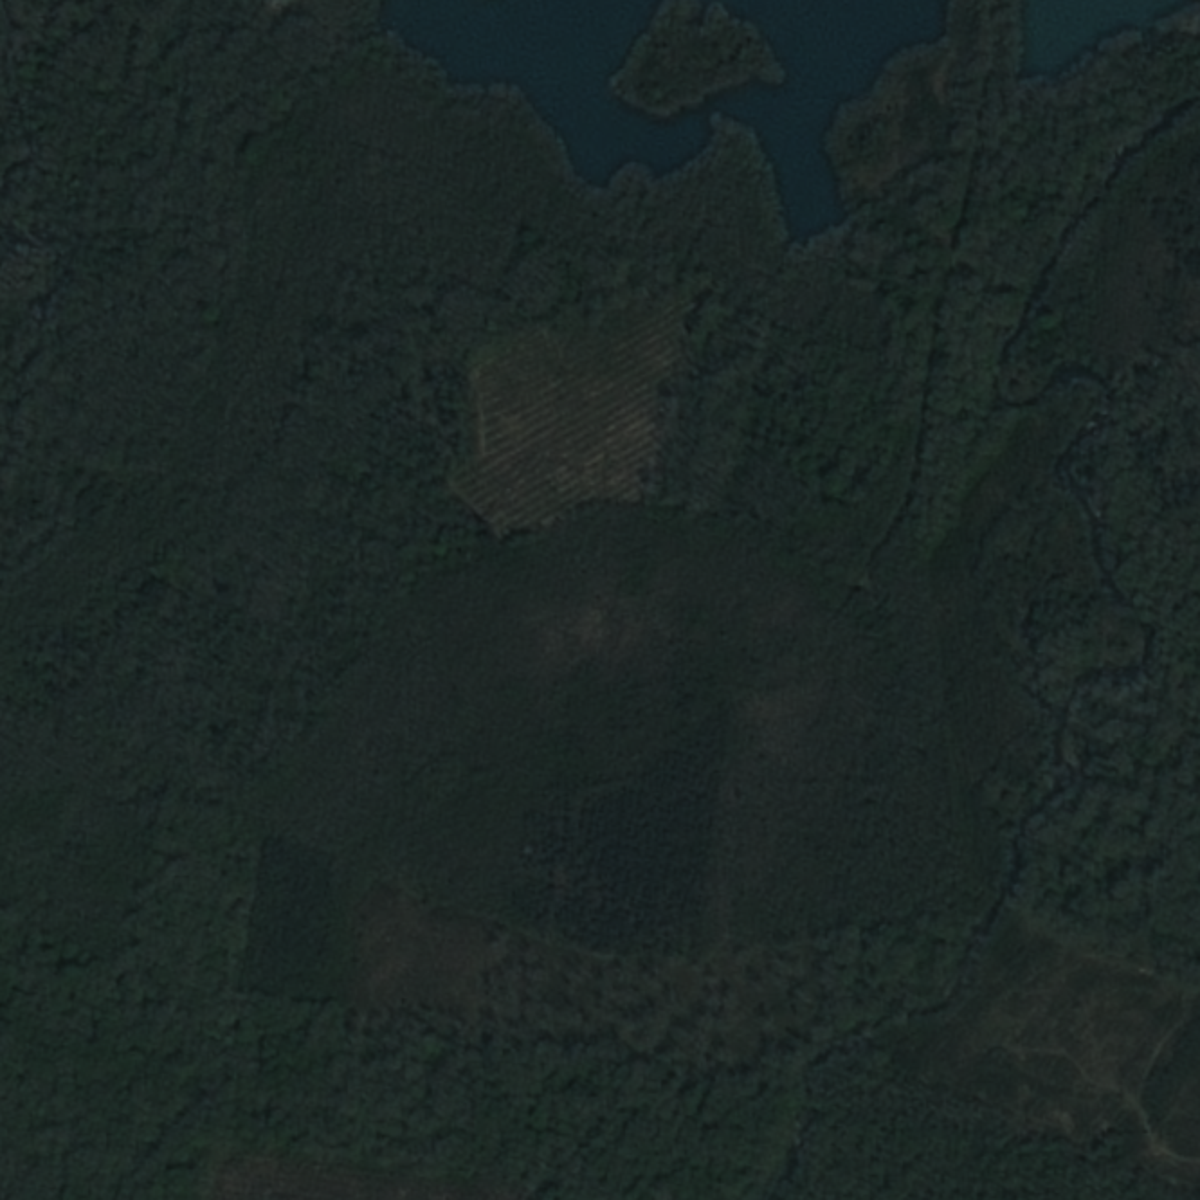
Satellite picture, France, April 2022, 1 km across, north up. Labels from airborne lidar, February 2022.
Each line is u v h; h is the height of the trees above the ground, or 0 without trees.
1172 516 21
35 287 18
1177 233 7
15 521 15
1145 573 23
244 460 19
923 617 17
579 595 9
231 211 17
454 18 0
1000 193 24
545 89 0
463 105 10
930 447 18
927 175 21
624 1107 21
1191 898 29
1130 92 21
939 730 18
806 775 11
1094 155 23
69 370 25
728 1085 26
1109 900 30
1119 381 22
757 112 0
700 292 0
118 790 19
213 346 21
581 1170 21
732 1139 26
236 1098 22
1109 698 26
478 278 18
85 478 13
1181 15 16
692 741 9
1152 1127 8
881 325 15
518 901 12
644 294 23
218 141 20
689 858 11
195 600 23
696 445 29
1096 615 14
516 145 15
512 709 12
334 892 14
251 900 17
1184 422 29
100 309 23
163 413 21
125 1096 21
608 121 0
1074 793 19
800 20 0
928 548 17
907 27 0
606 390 0
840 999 28
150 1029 23
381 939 0
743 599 13
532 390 0
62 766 20
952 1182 19
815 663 15
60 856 16
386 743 16
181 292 20
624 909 9
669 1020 25
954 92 13
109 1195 29
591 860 7
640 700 12
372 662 16
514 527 0
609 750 11
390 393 28
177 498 8
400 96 15
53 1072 25
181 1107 27
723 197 14
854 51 0
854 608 16
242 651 24
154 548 18
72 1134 24
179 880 28
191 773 22
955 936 18
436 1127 25
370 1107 25
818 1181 25
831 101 0
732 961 0
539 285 31
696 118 0
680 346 0
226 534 22
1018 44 12
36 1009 24
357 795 17
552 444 0
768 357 25
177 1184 23
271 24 14
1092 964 0
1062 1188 19
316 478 24
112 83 23
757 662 10
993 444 30
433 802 16
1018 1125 16
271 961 10
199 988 25
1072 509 8
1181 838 30
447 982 0
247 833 16
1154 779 30
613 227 14
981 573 13
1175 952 27
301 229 14
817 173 0
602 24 0
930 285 24
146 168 20
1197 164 9
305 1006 18
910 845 18
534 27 0
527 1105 24
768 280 13
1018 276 27
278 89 26
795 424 22
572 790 11
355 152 12
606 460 0
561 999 0
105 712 21
